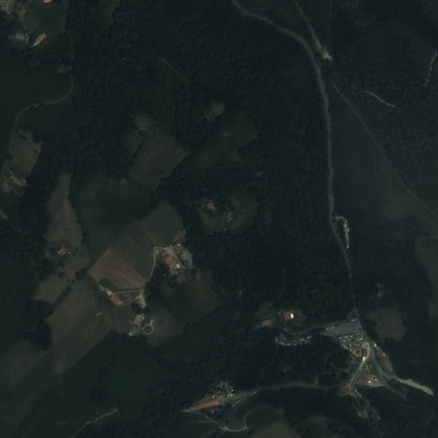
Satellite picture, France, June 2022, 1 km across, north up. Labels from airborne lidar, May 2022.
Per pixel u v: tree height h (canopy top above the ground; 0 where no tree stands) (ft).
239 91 78
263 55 52
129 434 87
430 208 0
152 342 0
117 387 0
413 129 87
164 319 0
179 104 45
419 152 58
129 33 82
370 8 71
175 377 27
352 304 49
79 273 41
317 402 95
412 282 88
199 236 40
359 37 73
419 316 52
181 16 64
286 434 0
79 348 0
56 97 0
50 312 27
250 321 40
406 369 51
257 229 83
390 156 43
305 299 82
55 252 50
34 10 0
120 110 56
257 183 86
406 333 26
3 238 47
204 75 42
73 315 0
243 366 77
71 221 0
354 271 49
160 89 0
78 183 45
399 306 46
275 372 97
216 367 96
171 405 86
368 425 51
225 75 38
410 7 90
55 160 70
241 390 56
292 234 86
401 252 36
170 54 50
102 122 43
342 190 22
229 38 49
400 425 36
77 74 53
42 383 0
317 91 35
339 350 45
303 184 76
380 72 79
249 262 119
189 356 45
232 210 40
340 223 40
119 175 28
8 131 0
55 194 0
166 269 23
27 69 30
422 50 67
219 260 36
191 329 43
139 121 0
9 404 0
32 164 0
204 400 0
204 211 19
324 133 53
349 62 81
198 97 57
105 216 0
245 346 59
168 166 0
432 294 22
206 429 0
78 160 39
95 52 75
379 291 32
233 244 78
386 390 52
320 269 54
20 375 0
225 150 0
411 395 58
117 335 28
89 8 58
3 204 0
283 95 68
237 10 47
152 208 25
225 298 38
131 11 57
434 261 0
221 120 68
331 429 44
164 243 0
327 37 29
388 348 41
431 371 35
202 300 0
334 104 21
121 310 0
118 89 34
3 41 31
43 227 52
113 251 0
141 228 0
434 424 62
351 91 48
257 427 0
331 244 60
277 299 40
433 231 0
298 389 73
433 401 42
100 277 0
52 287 0
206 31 50
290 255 22
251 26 33
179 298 0
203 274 26
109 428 41
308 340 0
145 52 45
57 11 0
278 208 99
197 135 54
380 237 50
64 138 43
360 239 52
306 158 85
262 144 53
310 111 54
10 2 0
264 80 78
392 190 0
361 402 53
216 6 63
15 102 0
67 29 38
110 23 0
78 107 47
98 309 0
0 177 0
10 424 0
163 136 0
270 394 85
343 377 52
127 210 0
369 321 40
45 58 22
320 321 35
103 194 0
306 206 73
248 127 0
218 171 60
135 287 0
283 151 41
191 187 60
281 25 33
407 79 29
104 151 50
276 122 54
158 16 72
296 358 98
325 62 42
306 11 21
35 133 25
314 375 73
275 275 105
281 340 0
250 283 110
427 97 61
